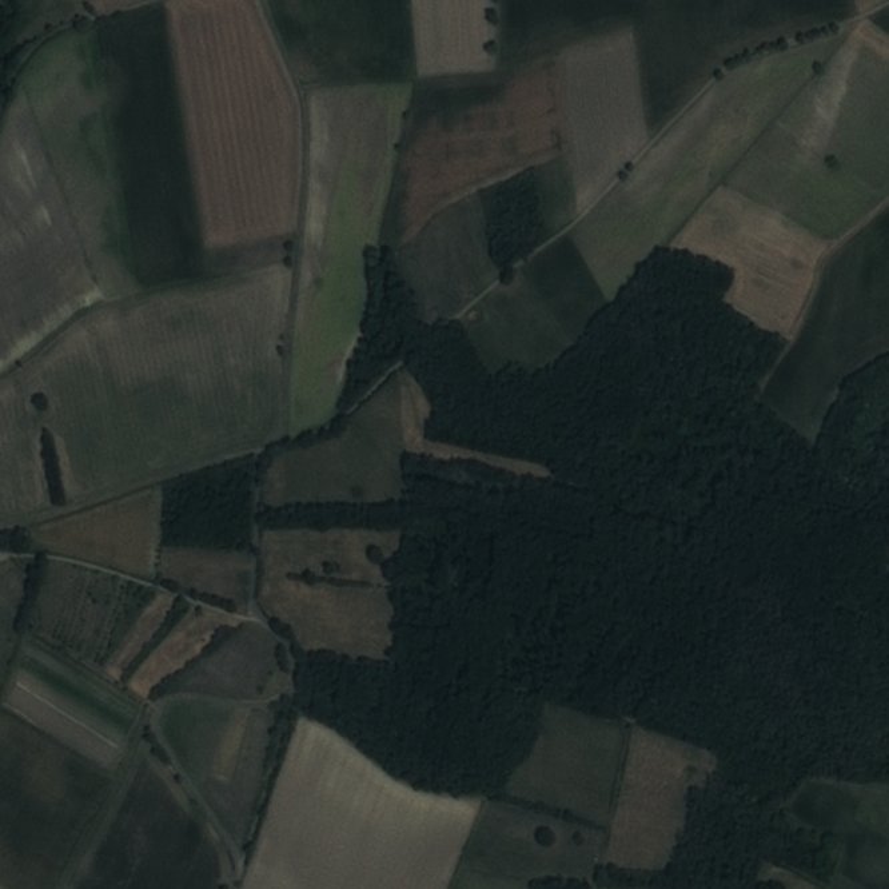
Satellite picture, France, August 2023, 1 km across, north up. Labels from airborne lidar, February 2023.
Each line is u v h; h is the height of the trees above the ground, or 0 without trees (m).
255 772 0
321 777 0
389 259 16
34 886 0
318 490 0
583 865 0
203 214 0
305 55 0
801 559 23
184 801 0
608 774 0
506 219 11
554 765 0
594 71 0
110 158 0
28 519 0
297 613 0
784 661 22
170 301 0
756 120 0
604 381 12
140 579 0
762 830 15
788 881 0
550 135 0
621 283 0
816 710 20
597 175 0
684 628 27
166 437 0
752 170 0
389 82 0
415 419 0
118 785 0
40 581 17
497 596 26
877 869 0
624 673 14
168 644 0
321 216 0
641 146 0
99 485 0
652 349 18
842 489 16
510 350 0
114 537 0
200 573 0
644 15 0
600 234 0
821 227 0
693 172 0
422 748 16
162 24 0
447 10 0
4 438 0
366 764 0
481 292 0
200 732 0
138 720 0
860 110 0
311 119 0
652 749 0
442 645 25
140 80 0
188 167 0
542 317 0
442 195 0
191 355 0
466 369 15
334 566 10
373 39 0
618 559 22
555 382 11
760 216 0
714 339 24
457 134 0
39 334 0
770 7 0
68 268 0
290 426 0
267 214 0
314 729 0
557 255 0
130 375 0
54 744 0
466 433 19
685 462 21
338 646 0
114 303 0
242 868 0
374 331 20
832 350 0
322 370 0
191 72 0
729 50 0
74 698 0
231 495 6
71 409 0
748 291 0
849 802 0
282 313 0
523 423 23
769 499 20
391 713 16
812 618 19
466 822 0
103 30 0
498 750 6
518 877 0
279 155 0
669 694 24
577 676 22
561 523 15
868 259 0
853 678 18
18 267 0
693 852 18
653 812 0
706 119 0
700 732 19
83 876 0
